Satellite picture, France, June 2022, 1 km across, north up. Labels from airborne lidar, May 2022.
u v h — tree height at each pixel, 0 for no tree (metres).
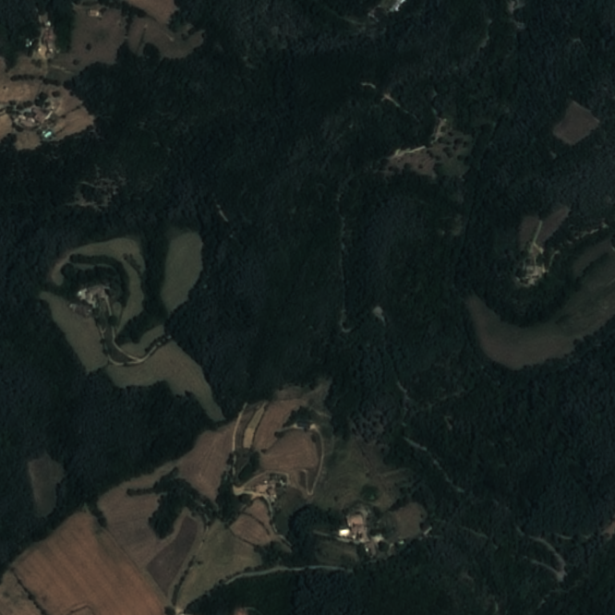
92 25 0
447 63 19
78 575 0
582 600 20
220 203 15
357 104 17
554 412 29
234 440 0
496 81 10
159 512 8
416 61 17
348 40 27
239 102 12
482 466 18
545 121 11
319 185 19
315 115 17
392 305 13
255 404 6
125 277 14
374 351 21
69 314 0
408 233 18
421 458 17
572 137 0
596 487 20
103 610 0
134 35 0
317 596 31
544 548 8
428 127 16
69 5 21
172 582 0
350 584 31
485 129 18
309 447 0
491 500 17
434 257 25
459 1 15
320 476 0
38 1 12
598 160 16
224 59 20
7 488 19
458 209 15
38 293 6
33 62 6
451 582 9
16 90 0
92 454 24
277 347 15
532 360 0
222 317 18
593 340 19
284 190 15
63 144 12
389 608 14
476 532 11
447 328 18
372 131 13
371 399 17
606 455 20
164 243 10
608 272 0
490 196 18
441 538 7
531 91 14
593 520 26
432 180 8
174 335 19
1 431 20
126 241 0
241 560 0
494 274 16
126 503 0
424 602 11
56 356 15
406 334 16
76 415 25
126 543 0
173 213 24
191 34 11
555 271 11
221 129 18
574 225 17
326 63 22
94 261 8
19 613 0
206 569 0
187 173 17
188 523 0
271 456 0
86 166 17
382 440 19
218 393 9
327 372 24
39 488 0
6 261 16
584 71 21
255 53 15
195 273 0
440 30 18
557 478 31
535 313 15
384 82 16
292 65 18
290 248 14
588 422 21
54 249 15
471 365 16
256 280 22
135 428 24
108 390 22
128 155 12
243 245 15
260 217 9
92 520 0
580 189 17
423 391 13
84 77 19
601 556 18
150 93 15
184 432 19
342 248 9
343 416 6
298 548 18
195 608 10
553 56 18
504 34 13
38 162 15
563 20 19
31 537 10
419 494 16
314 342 12
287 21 17
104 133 17
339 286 14
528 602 12
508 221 17
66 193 18
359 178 20
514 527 18
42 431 18
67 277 18
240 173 18
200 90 10
